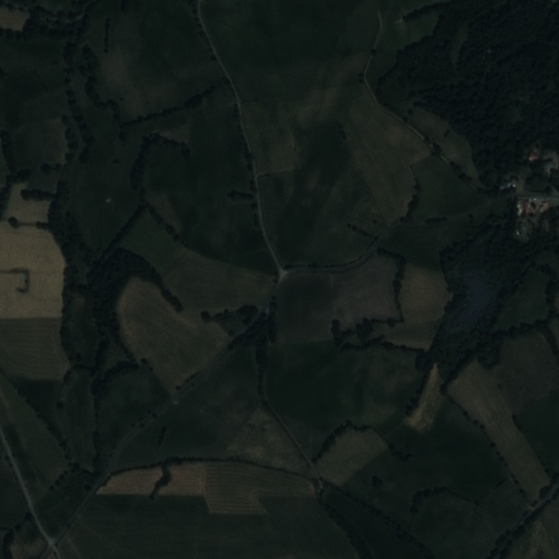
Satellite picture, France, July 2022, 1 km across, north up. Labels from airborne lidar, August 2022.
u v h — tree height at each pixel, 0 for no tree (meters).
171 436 0
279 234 0
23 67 0
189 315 0
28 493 0
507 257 12
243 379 0
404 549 0
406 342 0
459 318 0
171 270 0
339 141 0
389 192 0
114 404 0
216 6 0
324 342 0
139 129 0
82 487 0
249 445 0
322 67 0
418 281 0
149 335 0
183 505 0
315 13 0
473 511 0
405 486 0
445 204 0
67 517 0
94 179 0
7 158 19
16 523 0
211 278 0
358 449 0
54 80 0
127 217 0
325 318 0
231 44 0
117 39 0
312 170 0
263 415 0
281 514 0
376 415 0
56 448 0
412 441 0
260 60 0
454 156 0
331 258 0
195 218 0
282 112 0
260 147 0
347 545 0
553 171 14
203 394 0
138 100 0
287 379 0
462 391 0
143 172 18
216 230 0
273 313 14
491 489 0
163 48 0
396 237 0
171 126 0
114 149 0
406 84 8
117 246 6
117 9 0
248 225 0
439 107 20
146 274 19
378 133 0
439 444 0
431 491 12
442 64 17
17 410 0
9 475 0
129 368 19
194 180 0
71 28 8
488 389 0
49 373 0
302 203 0
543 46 23
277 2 0
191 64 0
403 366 0
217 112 0
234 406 0
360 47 0
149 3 0
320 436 0
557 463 0
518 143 17
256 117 0
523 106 9
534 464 0
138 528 0
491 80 19
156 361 0
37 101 0
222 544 0
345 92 0
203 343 0
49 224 9
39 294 0
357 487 0
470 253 11
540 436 0
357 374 0
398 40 0
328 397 0
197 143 0
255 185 9
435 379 0
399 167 0
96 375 10
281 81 0
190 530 0
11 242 0
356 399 0
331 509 7
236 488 0
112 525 0
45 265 0
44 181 0
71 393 0
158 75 0
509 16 20
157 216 13
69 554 0
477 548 0
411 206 14
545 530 0
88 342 0
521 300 0
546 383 0
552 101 13
